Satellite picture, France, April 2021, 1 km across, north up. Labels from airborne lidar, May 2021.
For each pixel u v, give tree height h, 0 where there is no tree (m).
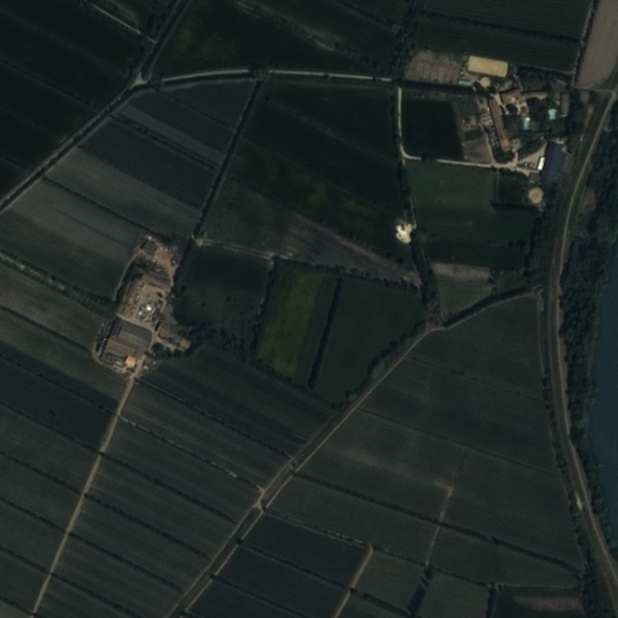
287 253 0
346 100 0
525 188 7
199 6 0
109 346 0
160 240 9
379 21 13
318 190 0
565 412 0
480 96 10
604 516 8
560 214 0
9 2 0
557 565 23
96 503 11
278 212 0
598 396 0
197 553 15
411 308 0
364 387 5
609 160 20
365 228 0
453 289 0
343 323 0
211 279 0
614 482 0
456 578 10
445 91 16
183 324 5
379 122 0
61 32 0
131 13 0
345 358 0
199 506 14
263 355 0
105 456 11
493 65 0
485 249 0
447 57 0
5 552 10
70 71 0
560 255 0
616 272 0
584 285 19
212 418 6
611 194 19
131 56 0
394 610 10
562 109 0
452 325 13
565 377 0
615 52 0
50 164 8
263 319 11
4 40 0
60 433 12
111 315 24
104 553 15
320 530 11
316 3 0
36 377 9
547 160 0
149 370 0
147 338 0
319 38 5
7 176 0
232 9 0
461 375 7
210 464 12
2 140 0
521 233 0
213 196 13
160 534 12
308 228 0
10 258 11
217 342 17
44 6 0
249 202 0
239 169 0
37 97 0
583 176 0
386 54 0
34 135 0
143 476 14
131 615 12
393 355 15
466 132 0
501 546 28
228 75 7
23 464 9
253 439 11
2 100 0
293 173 0
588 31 7
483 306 15
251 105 11
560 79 14
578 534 8
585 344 16
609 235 24
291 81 6
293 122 0
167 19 17
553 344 0
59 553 0
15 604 9
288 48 0
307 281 0
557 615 0
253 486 13
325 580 13
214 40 0
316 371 17
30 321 9
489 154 0
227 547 0
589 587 18
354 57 13
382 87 7
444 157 0
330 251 0
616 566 0
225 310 0
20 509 12
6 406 9
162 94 10
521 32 12
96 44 0
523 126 9
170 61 0
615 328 0
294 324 0
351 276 11
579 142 0
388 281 8
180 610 0
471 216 0
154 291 0
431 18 9
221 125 10
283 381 11
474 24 12
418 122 0
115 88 0
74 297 19
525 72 12
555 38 13
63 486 12
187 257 11
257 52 0
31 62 0
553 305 0
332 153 0
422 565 10
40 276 10
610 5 0
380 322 0
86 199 8
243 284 0
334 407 10
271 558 10
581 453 15
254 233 0
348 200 0
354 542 7
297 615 12
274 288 9
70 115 0
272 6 0
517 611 0
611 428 0
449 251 0
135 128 9
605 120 0
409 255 0
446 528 20
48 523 13
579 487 0
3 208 9
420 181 0
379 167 0
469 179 0
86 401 12
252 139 7
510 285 0
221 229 0
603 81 0
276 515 11
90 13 10
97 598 12
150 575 12
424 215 0
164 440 11
